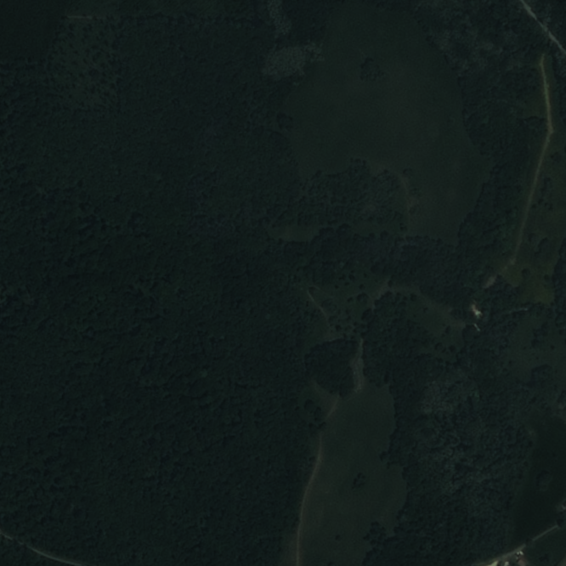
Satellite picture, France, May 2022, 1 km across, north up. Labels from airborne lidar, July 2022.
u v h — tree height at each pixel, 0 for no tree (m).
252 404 21
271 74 23
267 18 25
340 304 0
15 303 17
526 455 16
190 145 18
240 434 19
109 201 18
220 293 22
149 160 19
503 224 19
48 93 14
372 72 11
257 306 18
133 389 22
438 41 18
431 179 0
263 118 13
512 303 19
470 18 20
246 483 18
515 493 15
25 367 15
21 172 21
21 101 16
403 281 9
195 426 20
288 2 24
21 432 16
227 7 8
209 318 18
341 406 0
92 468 14
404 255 24
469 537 18
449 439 26
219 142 19
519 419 23
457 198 0
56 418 19
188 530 19
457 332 0
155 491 15
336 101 0
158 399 17
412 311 0
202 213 15
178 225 19
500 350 28
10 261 23
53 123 15
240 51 20
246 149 13
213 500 18
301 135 0
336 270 15
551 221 0
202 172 17
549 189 9
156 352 24
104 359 19
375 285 0
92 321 25
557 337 0
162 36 15
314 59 13
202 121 18
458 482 27
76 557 18
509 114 19
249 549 20
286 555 0
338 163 0
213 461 18
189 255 21
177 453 24
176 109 19
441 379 24
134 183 16
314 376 12
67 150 13
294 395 16
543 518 0
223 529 17
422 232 0
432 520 10
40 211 23
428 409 27
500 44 21
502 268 0
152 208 21
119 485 16
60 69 15
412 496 11
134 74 13
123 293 21
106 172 16
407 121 0
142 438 13
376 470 0
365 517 0
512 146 26
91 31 13
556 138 0
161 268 24
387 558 20
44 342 17
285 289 11
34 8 11
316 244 15
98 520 15
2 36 13
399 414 16
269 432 18
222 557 19
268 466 16
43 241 19
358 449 0
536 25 24
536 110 0
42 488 22
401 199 0
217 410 19
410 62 0
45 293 20
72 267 23
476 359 21
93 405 21
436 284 13
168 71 16
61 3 11
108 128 13
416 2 18
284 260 24
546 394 22
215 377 19
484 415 25
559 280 24
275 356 20
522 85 12
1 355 15
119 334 22
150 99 16
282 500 19
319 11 18
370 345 13
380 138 0
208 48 18
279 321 16
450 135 0
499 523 30
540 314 15
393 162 0
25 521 20
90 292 22
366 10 0
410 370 23
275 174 15
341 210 9
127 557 14
